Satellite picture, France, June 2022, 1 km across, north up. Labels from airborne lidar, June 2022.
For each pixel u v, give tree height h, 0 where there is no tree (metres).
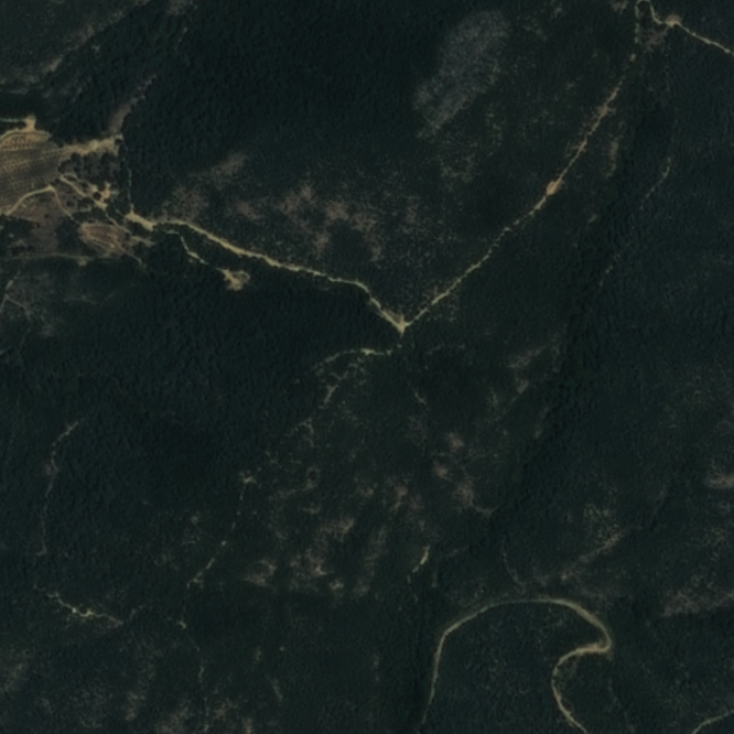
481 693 10
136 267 7
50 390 13
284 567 8
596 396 7
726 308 9
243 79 9
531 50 6
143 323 7
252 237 6
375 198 6
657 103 9
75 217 9
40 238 0
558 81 11
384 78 7
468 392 6
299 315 8
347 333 7
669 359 9
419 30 7
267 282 7
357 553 10
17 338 7
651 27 8
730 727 7
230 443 8
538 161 7
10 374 8
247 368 7
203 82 12
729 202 5
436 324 8
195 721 9
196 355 13
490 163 6
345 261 8
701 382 8
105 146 0
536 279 6
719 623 7
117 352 6
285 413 7
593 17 7
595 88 7
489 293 7
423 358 9
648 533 7
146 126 11
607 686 6
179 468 5
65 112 11
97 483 7
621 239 16
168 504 5
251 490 7
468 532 8
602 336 10
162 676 7
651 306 10
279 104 10
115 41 10
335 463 8
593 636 10
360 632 9
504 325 6
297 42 7
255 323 10
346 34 7
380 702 10
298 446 8
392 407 6
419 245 8
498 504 12
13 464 8
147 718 8
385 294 7
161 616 7
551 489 8
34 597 8
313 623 6
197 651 8
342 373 7
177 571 7
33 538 6
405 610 11
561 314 7
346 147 6
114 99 12
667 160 7
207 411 8
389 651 10
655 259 11
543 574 7
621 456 7
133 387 8
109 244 0
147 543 6
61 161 0
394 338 10
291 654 8
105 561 7
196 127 7
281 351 6
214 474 8
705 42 7
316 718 8
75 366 10
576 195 6
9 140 0
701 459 7
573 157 7
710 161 10
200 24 7
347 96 8
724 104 11
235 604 9
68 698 7
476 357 11
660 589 7
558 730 8
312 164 7
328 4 8
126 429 9
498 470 10
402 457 7
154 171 9
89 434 8
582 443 8
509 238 9
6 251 11
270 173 7
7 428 7
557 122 6
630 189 9
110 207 8
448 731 7
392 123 9
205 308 9
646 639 8
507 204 8
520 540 11
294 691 7
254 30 8
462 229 7
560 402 7
